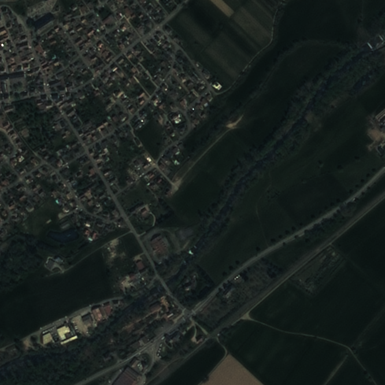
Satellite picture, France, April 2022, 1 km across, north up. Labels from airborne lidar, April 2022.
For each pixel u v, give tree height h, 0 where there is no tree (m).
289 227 0
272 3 0
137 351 0
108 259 0
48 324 0
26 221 0
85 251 0
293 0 0
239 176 18
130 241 0
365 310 0
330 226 15
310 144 0
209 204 0
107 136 0
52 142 14
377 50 0
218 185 0
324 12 0
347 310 0
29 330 0
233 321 0
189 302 15
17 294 0
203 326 10
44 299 0
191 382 0
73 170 0
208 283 13
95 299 0
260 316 0
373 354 0
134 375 0
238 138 0
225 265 0
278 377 0
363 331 0
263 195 0
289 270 0
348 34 0
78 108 0
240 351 0
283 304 0
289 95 0
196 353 0
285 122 14
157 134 0
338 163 0
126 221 0
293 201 0
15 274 26
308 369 0
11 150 6
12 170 0
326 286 0
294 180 0
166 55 0
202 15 0
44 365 29
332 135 0
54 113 7
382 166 0
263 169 21
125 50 0
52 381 25
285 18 0
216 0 0
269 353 0
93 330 13
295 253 0
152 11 6
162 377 0
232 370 0
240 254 0
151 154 0
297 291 0
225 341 13
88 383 0
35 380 31
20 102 6
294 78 0
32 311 0
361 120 0
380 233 0
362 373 0
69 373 19
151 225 0
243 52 0
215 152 0
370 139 0
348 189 0
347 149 0
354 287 0
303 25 0
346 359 0
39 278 0
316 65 0
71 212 0
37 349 14
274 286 0
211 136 13
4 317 0
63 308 0
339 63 14
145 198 0
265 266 10
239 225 0
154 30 0
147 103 0
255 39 0
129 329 0
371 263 0
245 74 12
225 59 0
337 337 0
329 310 0
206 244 10
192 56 0
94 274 0
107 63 0
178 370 0
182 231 0
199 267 14
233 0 0
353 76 26
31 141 10
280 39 0
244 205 0
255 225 0
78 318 0
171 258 17
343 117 0
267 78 0
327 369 0
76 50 0
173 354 15
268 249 0
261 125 0
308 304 0
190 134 0
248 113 0
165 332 0
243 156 0
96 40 0
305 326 0
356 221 0
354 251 0
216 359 0
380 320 0
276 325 0
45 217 0
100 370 0
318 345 0
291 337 0
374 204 0
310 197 0
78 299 0
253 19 0
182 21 0
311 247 0
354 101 0
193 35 0
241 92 0
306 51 0
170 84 0
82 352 19
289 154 19
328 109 18
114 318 16
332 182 0
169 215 10
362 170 0
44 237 0
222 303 7
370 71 12
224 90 0
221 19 0
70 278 0
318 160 0
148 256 0
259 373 0
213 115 10
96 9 10
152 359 0
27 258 25
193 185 0
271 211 0
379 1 0
